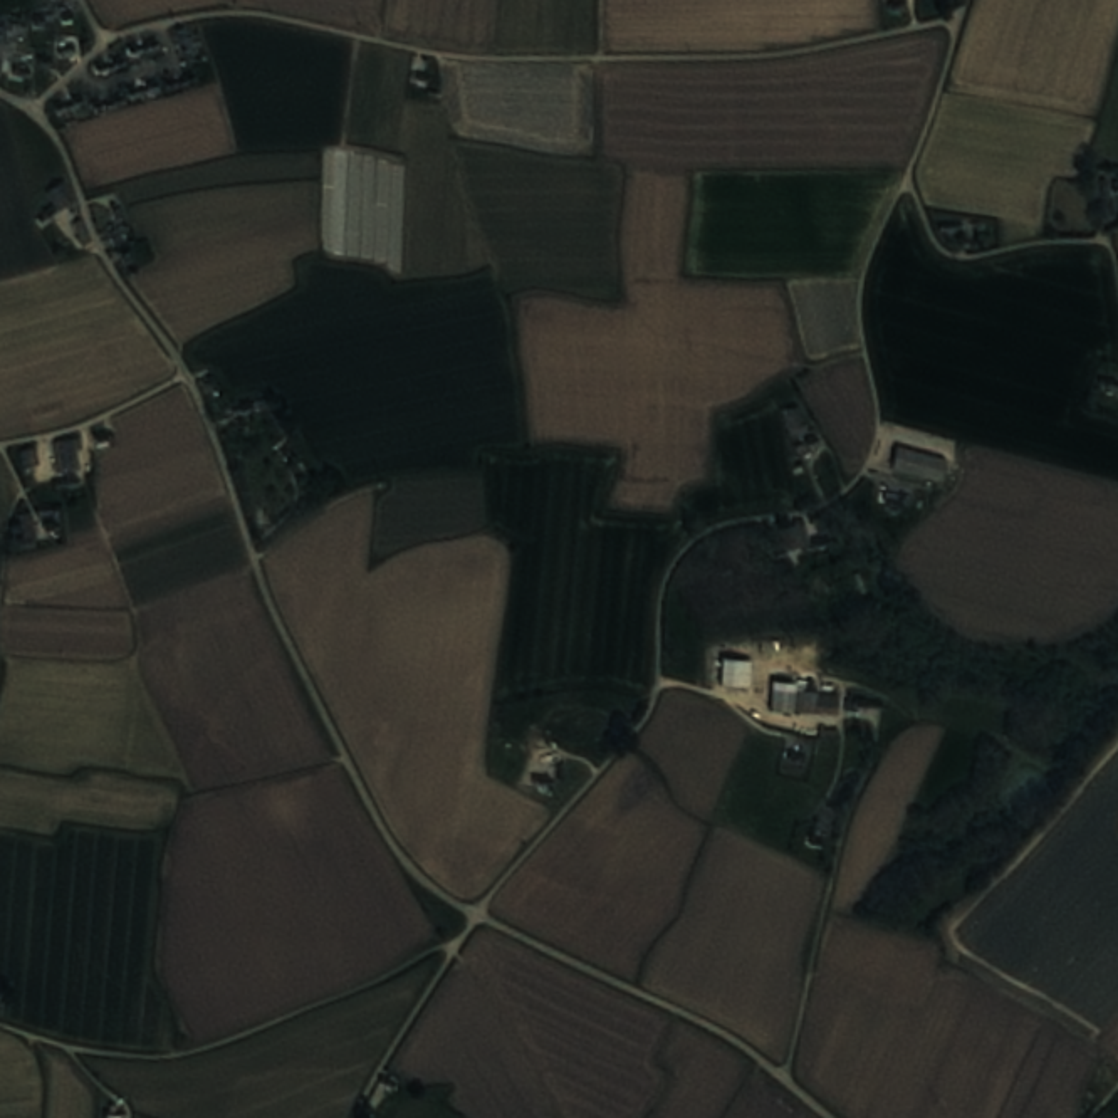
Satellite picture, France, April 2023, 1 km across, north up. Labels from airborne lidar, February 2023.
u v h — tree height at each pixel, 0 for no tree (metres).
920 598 13
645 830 0
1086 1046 0
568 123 0
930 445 0
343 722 0
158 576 0
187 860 0
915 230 0
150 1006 0
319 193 0
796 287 0
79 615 0
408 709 0
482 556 0
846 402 0
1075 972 0
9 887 0
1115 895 0
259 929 0
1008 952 0
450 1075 0
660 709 0
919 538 0
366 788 0
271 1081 0
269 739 0
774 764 0
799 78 0
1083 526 0
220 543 0
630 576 0
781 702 0
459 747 0
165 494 0
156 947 0
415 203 0
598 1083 0
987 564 0
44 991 0
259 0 0
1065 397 0
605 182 0
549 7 0
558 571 0
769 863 0
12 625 0
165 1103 0
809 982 0
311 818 0
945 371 0
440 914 0
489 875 0
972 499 0
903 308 0
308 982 0
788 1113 0
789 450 0
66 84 0
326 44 0
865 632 26
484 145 0
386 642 0
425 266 0
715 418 0
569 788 0
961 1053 0
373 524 0
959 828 13
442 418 0
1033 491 0
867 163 0
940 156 0
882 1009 0
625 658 0
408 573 0
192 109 0
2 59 0
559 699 0
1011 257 0
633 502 0
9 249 0
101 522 0
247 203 0
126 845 0
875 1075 0
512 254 0
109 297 0
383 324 0
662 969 0
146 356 0
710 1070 0
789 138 0
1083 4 0
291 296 0
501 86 0
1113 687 8
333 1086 0
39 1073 0
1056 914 0
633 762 0
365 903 0
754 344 0
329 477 9
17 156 0
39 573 0
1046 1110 0
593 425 0
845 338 0
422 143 0
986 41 0
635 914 0
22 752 0
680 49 0
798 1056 0
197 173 0
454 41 0
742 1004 0
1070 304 0
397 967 0
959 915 0
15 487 0
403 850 0
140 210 0
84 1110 0
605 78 0
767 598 10
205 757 0
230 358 0
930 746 0
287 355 0
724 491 0
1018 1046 0
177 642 0
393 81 0
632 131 0
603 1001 0
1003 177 0
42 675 0
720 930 0
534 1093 0
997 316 0
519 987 0
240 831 0
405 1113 0
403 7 0
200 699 0
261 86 0
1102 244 0
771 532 16
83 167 0
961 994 0
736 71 0
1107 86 0
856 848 0
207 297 0
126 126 0
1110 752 0
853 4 0
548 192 0
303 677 0
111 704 0
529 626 0
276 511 0
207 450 0
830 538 8
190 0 0
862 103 0
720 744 0
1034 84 0
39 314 0
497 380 0
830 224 0
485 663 0
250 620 0
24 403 0
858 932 0
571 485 0
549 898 0
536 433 0
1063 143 0
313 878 0
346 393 0
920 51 0
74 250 0
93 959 0
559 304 0
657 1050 0
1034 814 15
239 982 0
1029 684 6
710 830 0
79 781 0
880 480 0
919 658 14
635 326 0
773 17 0
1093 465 0
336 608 0
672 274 0
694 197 0
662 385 0
